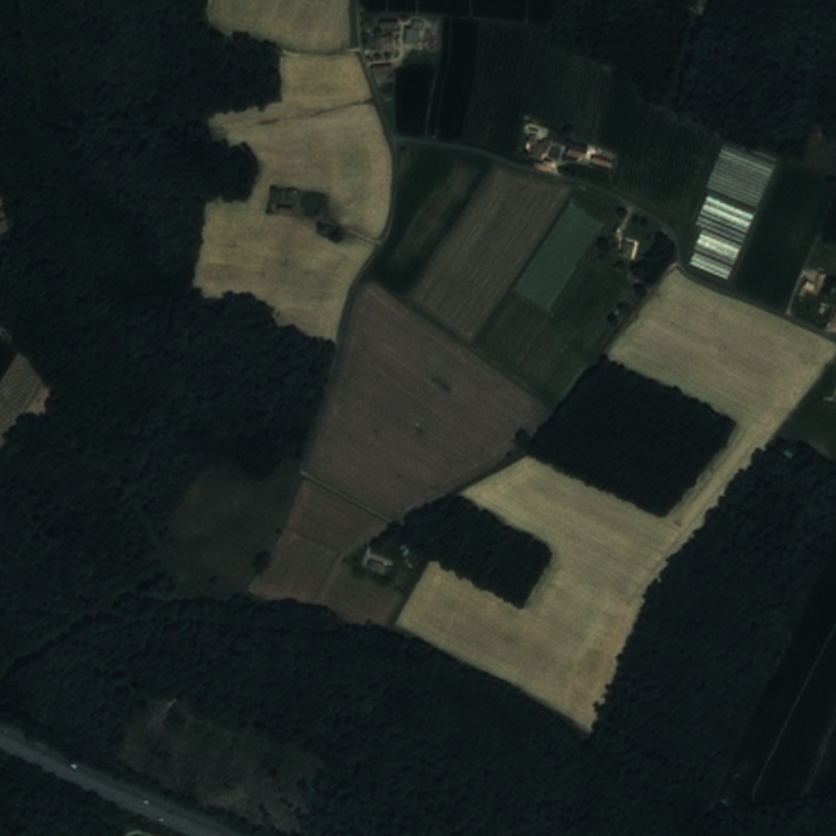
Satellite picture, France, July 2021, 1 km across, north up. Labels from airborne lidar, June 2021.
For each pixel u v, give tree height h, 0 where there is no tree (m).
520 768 20
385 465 0
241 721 20
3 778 19
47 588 18
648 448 13
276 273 0
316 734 15
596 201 0
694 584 20
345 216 0
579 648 0
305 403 22
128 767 14
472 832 14
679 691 21
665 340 0
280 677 17
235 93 21
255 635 18
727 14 16
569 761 22
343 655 18
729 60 23
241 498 0
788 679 0
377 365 0
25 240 27
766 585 20
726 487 0
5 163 26
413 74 0
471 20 0
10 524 25
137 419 20
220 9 0
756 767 0
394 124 0
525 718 16
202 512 0
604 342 0
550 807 18
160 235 18
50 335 20
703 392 0
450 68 0
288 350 13
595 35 5
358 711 7
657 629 17
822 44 18
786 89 17
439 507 19
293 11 0
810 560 25
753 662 21
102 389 22
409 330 0
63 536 23
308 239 0
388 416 0
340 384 0
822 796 7
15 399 0
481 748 18
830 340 0
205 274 0
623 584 0
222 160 23
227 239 0
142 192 19
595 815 19
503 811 16
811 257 0
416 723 17
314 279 0
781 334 0
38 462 11
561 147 0
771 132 19
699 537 15
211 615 17
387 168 0
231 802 0
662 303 0
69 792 12
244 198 10
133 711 22
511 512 0
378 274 0
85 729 15
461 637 0
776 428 0
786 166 0
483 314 0
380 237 0
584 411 15
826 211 0
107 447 18
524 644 0
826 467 16
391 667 17
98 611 0
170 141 20
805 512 13
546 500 0
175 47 17
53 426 23
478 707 18
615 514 0
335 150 0
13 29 25
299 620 19
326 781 18
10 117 24
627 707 20
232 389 22
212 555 0
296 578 0
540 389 0
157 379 19
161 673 23
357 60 0
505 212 0
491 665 0
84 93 16
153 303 11
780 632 20
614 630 0
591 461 14
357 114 0
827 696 0
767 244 0
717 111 18
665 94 17
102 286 20
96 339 23
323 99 0
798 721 0
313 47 0
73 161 20
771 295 0
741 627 20
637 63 7
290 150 0
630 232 0
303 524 0
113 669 7
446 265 0
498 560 15
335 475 0
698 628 20
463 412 0
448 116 0
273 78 16
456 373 0
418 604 0
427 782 8
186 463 18
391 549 0
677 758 19
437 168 0
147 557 18
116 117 14
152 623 22
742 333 0
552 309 0
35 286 22
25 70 25
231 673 22
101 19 18
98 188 19
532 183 0
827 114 21
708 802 18
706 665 20
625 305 10
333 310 0
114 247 21
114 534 11
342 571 0
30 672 22
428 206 0
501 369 0
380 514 0
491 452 0
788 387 0
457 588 0
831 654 0
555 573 0
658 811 22
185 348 16
